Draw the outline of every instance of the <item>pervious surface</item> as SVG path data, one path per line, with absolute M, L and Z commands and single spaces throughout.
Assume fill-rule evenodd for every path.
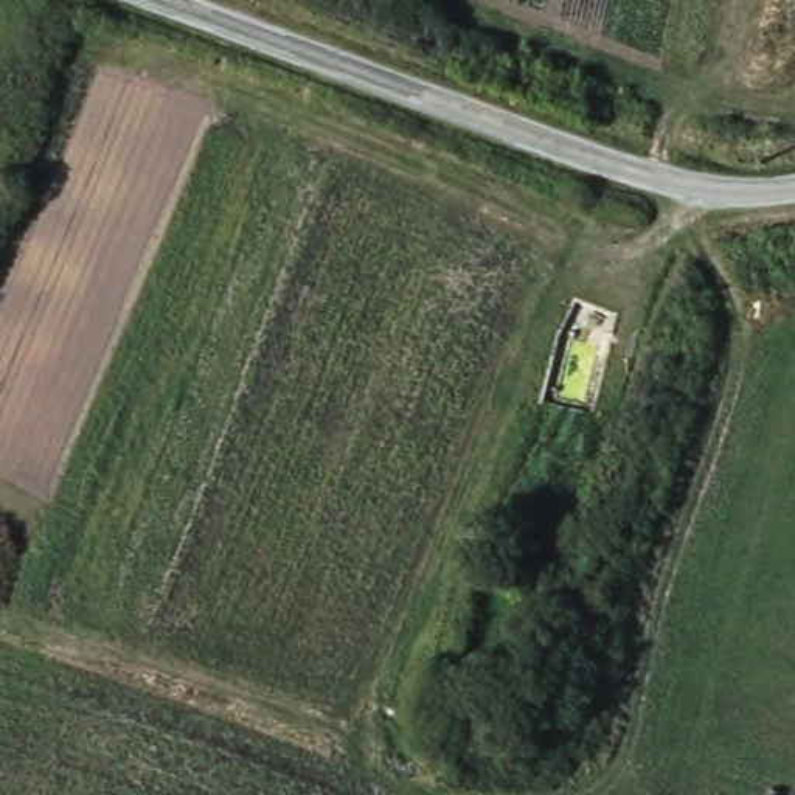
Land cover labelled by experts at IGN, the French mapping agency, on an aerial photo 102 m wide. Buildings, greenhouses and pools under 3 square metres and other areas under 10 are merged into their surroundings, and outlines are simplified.
M 658 220 L 643 230 L 627 245 L 606 245 L 606 258 L 637 261 L 649 252 L 665 248 L 674 239 L 674 233 L 689 227 L 705 211 L 655 196 Z

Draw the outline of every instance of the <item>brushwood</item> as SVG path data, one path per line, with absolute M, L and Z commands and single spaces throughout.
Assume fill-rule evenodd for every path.
M 500 53 L 500 47 L 491 37 L 472 31 L 460 37 L 460 47 L 453 50 L 450 22 L 422 0 L 298 0 L 314 12 L 332 16 L 357 28 L 385 31 L 391 40 L 413 50 L 419 47 L 422 56 L 429 53 L 435 62 L 447 65 L 447 87 L 481 102 L 500 106 L 506 112 L 543 121 L 550 127 L 596 140 L 602 146 L 643 158 L 649 155 L 652 134 L 661 118 L 658 99 L 646 96 L 640 87 L 649 68 L 630 65 L 615 56 L 590 62 L 584 56 L 571 56 L 565 50 L 556 50 L 543 31 L 519 34 L 519 47 L 509 53 Z
M 22 22 L 43 0 L 0 0 L 0 59 L 16 59 Z
M 99 22 L 93 22 L 84 37 L 75 34 L 71 40 L 65 40 L 62 56 L 47 71 L 47 93 L 40 109 L 43 134 L 34 146 L 31 161 L 12 161 L 28 186 L 25 211 L 16 224 L 0 220 L 0 289 L 19 255 L 25 233 L 65 186 L 65 146 L 78 118 L 65 109 L 65 99 L 71 68 L 84 50 L 84 40 L 112 43 L 115 37 L 143 37 L 168 43 L 171 37 L 177 37 L 196 47 L 224 50 L 227 62 L 242 59 L 245 65 L 267 65 L 270 71 L 304 78 L 307 87 L 332 90 L 351 99 L 348 109 L 354 115 L 394 127 L 398 134 L 425 140 L 429 146 L 444 146 L 460 158 L 481 161 L 500 180 L 525 186 L 537 205 L 547 205 L 556 217 L 568 217 L 578 227 L 599 224 L 612 227 L 615 233 L 630 227 L 643 230 L 658 220 L 655 196 L 512 149 L 500 140 L 447 124 L 441 118 L 429 118 L 416 109 L 320 78 L 289 62 L 245 50 L 239 43 L 227 43 L 205 31 L 143 12 L 137 6 L 124 6 L 118 0 L 96 0 L 90 12 Z
M 733 264 L 739 276 L 742 292 L 748 292 L 755 301 L 761 301 L 770 289 L 795 286 L 795 220 L 767 224 L 761 233 L 730 230 L 717 239 L 724 258 Z
M 12 596 L 28 534 L 25 522 L 16 512 L 6 512 L 0 506 L 0 606 Z
M 724 121 L 699 121 L 696 127 L 705 134 L 717 134 L 724 143 L 733 137 L 758 140 L 755 121 L 742 112 L 733 112 Z
M 568 466 L 568 457 L 584 450 L 584 432 L 593 419 L 599 422 L 599 429 L 606 429 L 630 401 L 646 404 L 649 435 L 658 435 L 668 457 L 674 460 L 674 472 L 661 512 L 649 503 L 652 469 L 637 472 L 634 497 L 627 500 L 618 525 L 621 537 L 649 543 L 646 553 L 637 556 L 621 575 L 627 584 L 640 590 L 655 587 L 655 553 L 674 543 L 674 519 L 689 497 L 702 444 L 724 388 L 730 363 L 730 332 L 736 317 L 730 307 L 727 286 L 708 264 L 708 258 L 693 258 L 686 264 L 683 258 L 665 248 L 665 261 L 646 289 L 630 363 L 624 363 L 609 348 L 599 398 L 584 398 L 575 407 L 575 413 L 562 413 L 537 401 L 519 404 L 516 429 L 525 438 L 497 488 L 497 503 L 512 503 L 512 497 L 534 491 L 547 478 L 553 466 Z

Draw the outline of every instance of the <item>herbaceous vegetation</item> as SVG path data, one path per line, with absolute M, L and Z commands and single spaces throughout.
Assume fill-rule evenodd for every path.
M 484 640 L 491 646 L 512 649 L 528 640 L 534 627 L 534 618 L 522 602 L 519 590 L 503 587 L 494 602 L 488 593 L 472 593 L 469 575 L 457 556 L 463 540 L 484 537 L 484 509 L 497 503 L 497 488 L 525 438 L 516 429 L 519 404 L 537 401 L 553 354 L 556 329 L 571 298 L 584 298 L 615 314 L 615 332 L 609 348 L 624 363 L 630 363 L 646 289 L 665 261 L 665 248 L 649 252 L 637 261 L 606 258 L 606 245 L 627 245 L 643 230 L 630 227 L 615 233 L 612 227 L 599 224 L 578 227 L 568 217 L 556 217 L 547 205 L 537 205 L 525 186 L 500 180 L 481 161 L 460 158 L 444 146 L 429 146 L 425 140 L 398 134 L 394 127 L 354 115 L 348 109 L 351 99 L 332 90 L 307 87 L 304 78 L 270 71 L 267 65 L 245 65 L 242 59 L 227 62 L 224 50 L 196 47 L 177 37 L 171 37 L 168 43 L 143 37 L 115 37 L 112 43 L 84 40 L 84 50 L 71 68 L 65 99 L 65 109 L 78 118 L 96 68 L 118 65 L 124 71 L 146 75 L 149 81 L 168 90 L 193 90 L 202 99 L 211 99 L 220 115 L 236 109 L 252 115 L 252 121 L 279 127 L 292 137 L 304 137 L 307 149 L 335 149 L 360 165 L 382 168 L 398 180 L 425 183 L 435 193 L 450 196 L 450 202 L 484 214 L 491 224 L 503 224 L 506 230 L 534 236 L 528 255 L 531 267 L 537 270 L 537 283 L 528 286 L 506 351 L 494 357 L 484 391 L 478 394 L 469 413 L 469 425 L 478 435 L 478 450 L 466 478 L 466 491 L 457 500 L 447 528 L 441 531 L 438 565 L 419 584 L 404 637 L 391 652 L 388 668 L 376 686 L 376 711 L 360 717 L 348 730 L 345 752 L 332 755 L 342 767 L 351 767 L 373 783 L 385 783 L 401 795 L 537 795 L 460 789 L 457 767 L 441 761 L 432 767 L 410 724 L 419 683 L 429 674 L 432 658 L 438 658 L 447 668 L 460 668 L 472 652 L 478 652 Z
M 429 53 L 422 56 L 419 47 L 413 50 L 391 40 L 385 31 L 357 28 L 332 16 L 314 12 L 298 0 L 214 0 L 447 87 L 447 65 L 435 62 Z
M 584 575 L 587 562 L 602 547 L 621 537 L 618 525 L 627 500 L 634 497 L 637 472 L 652 469 L 649 503 L 661 512 L 674 472 L 674 460 L 668 457 L 658 435 L 649 435 L 646 404 L 630 401 L 606 429 L 599 429 L 599 422 L 593 419 L 584 432 L 584 450 L 568 457 L 568 466 L 553 466 L 547 478 L 556 488 L 571 488 L 578 494 L 578 509 L 565 516 L 559 525 L 559 553 L 568 565 L 575 565 Z
M 472 31 L 491 37 L 500 47 L 500 53 L 509 53 L 519 47 L 519 34 L 509 28 L 478 22 L 472 0 L 422 0 L 450 22 L 453 50 L 460 47 L 460 37 Z
M 96 0 L 43 0 L 22 22 L 16 59 L 0 59 L 0 220 L 16 224 L 25 211 L 28 186 L 12 161 L 31 161 L 34 146 L 43 134 L 40 109 L 47 93 L 47 71 L 62 56 L 65 40 L 71 40 L 75 34 L 84 37 L 93 22 L 99 22 L 90 12 Z
M 640 627 L 643 637 L 652 643 L 661 637 L 658 618 L 674 596 L 683 559 L 693 550 L 696 528 L 705 509 L 717 503 L 717 497 L 724 494 L 724 472 L 739 460 L 739 444 L 730 435 L 730 425 L 739 404 L 739 385 L 745 382 L 752 332 L 761 323 L 758 317 L 752 317 L 755 301 L 748 292 L 742 292 L 739 276 L 733 264 L 724 258 L 717 239 L 730 230 L 761 233 L 767 224 L 795 220 L 795 205 L 705 211 L 689 227 L 674 233 L 674 239 L 665 248 L 683 258 L 686 264 L 693 258 L 708 258 L 708 264 L 727 286 L 730 307 L 736 317 L 730 332 L 730 363 L 724 388 L 702 444 L 689 497 L 674 519 L 674 543 L 655 553 L 655 587 L 640 590 Z
M 724 177 L 795 174 L 795 56 L 770 84 L 724 87 L 714 78 L 711 65 L 705 65 L 699 78 L 680 78 L 658 99 L 661 118 L 652 134 L 649 155 L 677 168 Z M 717 134 L 705 134 L 696 127 L 699 121 L 724 121 L 733 112 L 742 112 L 755 121 L 758 140 L 733 137 L 724 143 Z

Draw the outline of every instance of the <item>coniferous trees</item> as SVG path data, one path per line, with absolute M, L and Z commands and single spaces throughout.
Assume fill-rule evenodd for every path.
M 457 556 L 469 575 L 472 593 L 488 593 L 494 602 L 503 587 L 519 590 L 522 602 L 534 618 L 534 627 L 528 640 L 512 649 L 491 646 L 484 640 L 478 652 L 472 652 L 460 668 L 447 668 L 438 658 L 432 658 L 429 674 L 419 683 L 410 724 L 432 767 L 441 761 L 457 767 L 460 789 L 537 795 L 540 795 L 559 789 L 562 779 L 575 776 L 584 761 L 593 761 L 599 755 L 599 748 L 609 758 L 618 758 L 630 720 L 630 711 L 624 705 L 640 686 L 637 665 L 652 643 L 643 637 L 640 627 L 640 590 L 627 584 L 621 575 L 637 556 L 646 553 L 649 543 L 621 537 L 602 547 L 587 562 L 584 575 L 575 565 L 568 565 L 559 553 L 559 525 L 565 516 L 578 509 L 578 494 L 571 488 L 556 488 L 547 478 L 534 491 L 512 497 L 512 503 L 497 503 L 484 509 L 484 537 L 463 540 Z

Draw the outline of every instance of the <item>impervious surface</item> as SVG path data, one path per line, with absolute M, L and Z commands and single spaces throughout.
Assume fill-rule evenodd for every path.
M 550 127 L 543 121 L 506 112 L 500 106 L 481 102 L 447 87 L 214 0 L 118 0 L 124 6 L 137 6 L 143 12 L 205 31 L 227 43 L 239 43 L 245 50 L 289 62 L 320 78 L 416 109 L 429 118 L 441 118 L 447 124 L 500 140 L 512 149 L 655 196 L 705 211 L 795 205 L 795 174 L 724 177 L 677 168 L 649 155 L 643 158 L 602 146 L 596 140 Z
M 575 407 L 584 398 L 599 398 L 609 348 L 615 332 L 615 314 L 584 298 L 571 298 L 556 329 L 553 354 L 537 401 L 562 413 L 575 413 Z

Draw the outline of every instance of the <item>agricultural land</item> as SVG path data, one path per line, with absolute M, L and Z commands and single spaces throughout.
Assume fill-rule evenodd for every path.
M 795 795 L 795 286 L 770 289 L 761 301 L 755 301 L 752 317 L 758 317 L 761 323 L 752 332 L 745 382 L 739 385 L 739 404 L 730 425 L 730 435 L 739 444 L 739 460 L 724 472 L 724 494 L 717 497 L 717 503 L 705 509 L 696 528 L 693 550 L 683 559 L 674 596 L 658 618 L 661 637 L 652 643 L 637 665 L 640 686 L 624 705 L 630 711 L 630 720 L 618 758 L 609 758 L 599 748 L 599 755 L 593 761 L 584 761 L 575 776 L 562 779 L 559 789 L 540 795 Z
M 680 78 L 699 78 L 705 65 L 711 65 L 714 78 L 724 87 L 770 84 L 795 56 L 795 0 L 472 0 L 478 22 L 509 28 L 519 34 L 543 31 L 556 50 L 565 50 L 571 56 L 584 56 L 590 62 L 615 56 L 630 65 L 649 68 L 640 87 L 646 96 L 658 99 Z
M 78 118 L 65 146 L 65 186 L 25 233 L 19 255 L 0 289 L 0 506 L 6 512 L 16 512 L 25 522 L 28 534 L 12 596 L 0 606 L 0 795 L 401 795 L 385 783 L 373 783 L 351 767 L 342 767 L 332 755 L 345 752 L 348 730 L 360 717 L 376 711 L 376 686 L 388 668 L 391 652 L 404 637 L 419 584 L 438 565 L 441 531 L 447 528 L 457 500 L 466 491 L 466 478 L 478 450 L 478 435 L 469 425 L 469 413 L 478 394 L 484 391 L 494 357 L 506 351 L 528 286 L 537 283 L 537 270 L 531 267 L 528 255 L 534 236 L 506 230 L 503 224 L 491 224 L 484 214 L 450 202 L 450 196 L 435 193 L 425 183 L 398 180 L 382 168 L 360 165 L 335 149 L 307 149 L 304 137 L 292 137 L 279 127 L 252 121 L 252 115 L 236 109 L 220 115 L 211 99 L 202 99 L 193 90 L 168 90 L 149 81 L 146 75 L 124 71 L 118 65 L 96 68 Z

